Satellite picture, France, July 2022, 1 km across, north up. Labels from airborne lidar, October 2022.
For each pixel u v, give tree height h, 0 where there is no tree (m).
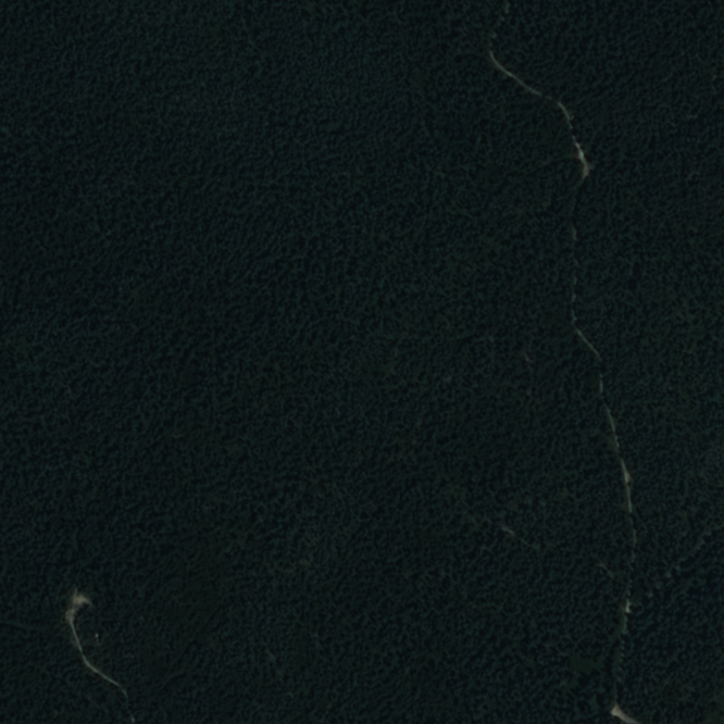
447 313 14
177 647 11
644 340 15
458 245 20
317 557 13
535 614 20
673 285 24
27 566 17
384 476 19
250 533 10
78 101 13
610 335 17
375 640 18
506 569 13
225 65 16
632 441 18
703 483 21
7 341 15
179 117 19
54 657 17
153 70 16
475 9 13
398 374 7
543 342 12
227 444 20
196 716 21
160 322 13
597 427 21
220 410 11
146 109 10
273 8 21
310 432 7
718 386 21
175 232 21
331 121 20
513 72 14
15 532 18
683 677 25
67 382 14
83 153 15
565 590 22
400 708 10
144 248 17
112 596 13
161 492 14
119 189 17
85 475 27
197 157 12
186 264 20
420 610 31
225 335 25
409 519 13
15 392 13
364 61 20
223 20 14
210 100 17
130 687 9
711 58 18
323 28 23
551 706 32
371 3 16
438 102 21
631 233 27
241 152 22
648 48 16
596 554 7
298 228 24
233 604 15
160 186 9
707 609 18
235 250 24
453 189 21
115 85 18
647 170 17
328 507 20
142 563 16
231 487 20
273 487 15
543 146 8
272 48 24
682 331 17
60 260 8
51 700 8
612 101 12
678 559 28
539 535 26
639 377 12
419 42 20
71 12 16
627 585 9
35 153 13
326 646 23
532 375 9
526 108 12
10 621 12
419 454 27
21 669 11
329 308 8
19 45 16
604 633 28
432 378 10
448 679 18
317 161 15
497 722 22
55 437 11
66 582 20
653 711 29
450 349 17
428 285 21
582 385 18
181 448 19
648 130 18
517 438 9
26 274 21
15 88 12
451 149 17
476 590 16
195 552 7
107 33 17
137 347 18
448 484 26
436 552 14
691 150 9
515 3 24
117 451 16
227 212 16
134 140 11
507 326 9
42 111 11
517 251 21
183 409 11
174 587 14
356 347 19
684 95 20
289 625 15
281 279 9
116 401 12
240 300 12
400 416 20
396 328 12
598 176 21
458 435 16
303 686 10
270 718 17
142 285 24
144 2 12
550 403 13
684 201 10
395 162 8
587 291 17
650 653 31
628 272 27
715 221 20
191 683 14
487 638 25
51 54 14
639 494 18
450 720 25
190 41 16
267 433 19
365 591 11
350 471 22
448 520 25
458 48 23
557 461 22
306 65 19
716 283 26
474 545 12
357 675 13
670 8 22
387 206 28
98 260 14
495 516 25
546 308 17
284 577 17
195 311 9
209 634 14
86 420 25
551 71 19
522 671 12
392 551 22
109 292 13
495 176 14
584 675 0
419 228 24
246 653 10
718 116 15
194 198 14
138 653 15
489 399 9
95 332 27
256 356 13
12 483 13
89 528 16
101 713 13
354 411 18
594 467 9
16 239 14
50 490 17
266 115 14
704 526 15
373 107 13
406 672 20
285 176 18
